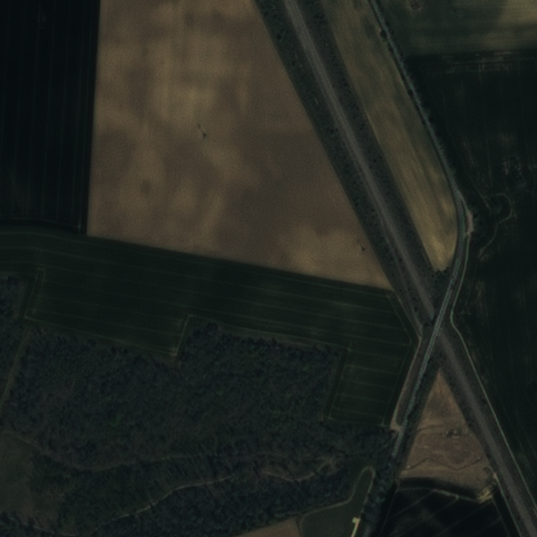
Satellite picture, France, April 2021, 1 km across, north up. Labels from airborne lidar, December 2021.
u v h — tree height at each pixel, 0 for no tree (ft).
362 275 0
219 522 70
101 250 0
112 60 0
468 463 0
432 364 38
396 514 0
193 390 79
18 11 0
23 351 0
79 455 31
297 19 0
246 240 0
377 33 0
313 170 0
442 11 0
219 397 56
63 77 0
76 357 58
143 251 0
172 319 0
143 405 70
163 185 0
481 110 0
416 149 0
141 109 0
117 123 0
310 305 0
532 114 0
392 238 0
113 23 0
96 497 57
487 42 0
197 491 26
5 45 0
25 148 0
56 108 0
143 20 0
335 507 0
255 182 0
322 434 65
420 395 37
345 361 0
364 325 0
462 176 0
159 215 0
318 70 0
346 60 0
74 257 0
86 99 0
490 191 0
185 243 0
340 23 0
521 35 0
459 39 0
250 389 40
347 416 0
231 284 0
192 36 0
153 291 0
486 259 0
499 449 0
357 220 0
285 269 0
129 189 0
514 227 0
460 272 0
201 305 0
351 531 0
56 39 0
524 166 0
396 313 0
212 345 52
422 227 0
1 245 0
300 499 54
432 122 46
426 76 0
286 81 0
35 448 0
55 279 0
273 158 0
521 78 0
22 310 0
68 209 0
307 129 0
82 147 0
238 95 0
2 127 0
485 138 0
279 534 0
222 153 0
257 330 0
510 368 0
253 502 37
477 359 0
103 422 30
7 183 0
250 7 0
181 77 0
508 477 0
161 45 0
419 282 0
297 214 0
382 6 45
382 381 0
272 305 0
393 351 0
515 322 0
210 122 0
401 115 0
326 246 0
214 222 0
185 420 34
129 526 42
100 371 31
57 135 0
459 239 0
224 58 0
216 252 0
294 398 24
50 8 0
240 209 0
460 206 0
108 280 0
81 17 0
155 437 82
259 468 19
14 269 0
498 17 0
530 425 0
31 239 0
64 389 44
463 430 0
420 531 0
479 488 0
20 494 0
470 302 0
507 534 0
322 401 56
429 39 0
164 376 51
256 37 0
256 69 0
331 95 0
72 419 39
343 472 30
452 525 0
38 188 0
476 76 0
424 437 0
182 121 0
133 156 0
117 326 0
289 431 24
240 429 19
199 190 0
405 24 0
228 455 78
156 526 20
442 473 0
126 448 61
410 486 0
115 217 0
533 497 0
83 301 0
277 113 0
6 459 0
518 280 0
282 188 0
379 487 58
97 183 0
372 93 0
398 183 0
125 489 76
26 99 0
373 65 0
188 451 88
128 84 0
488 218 0
